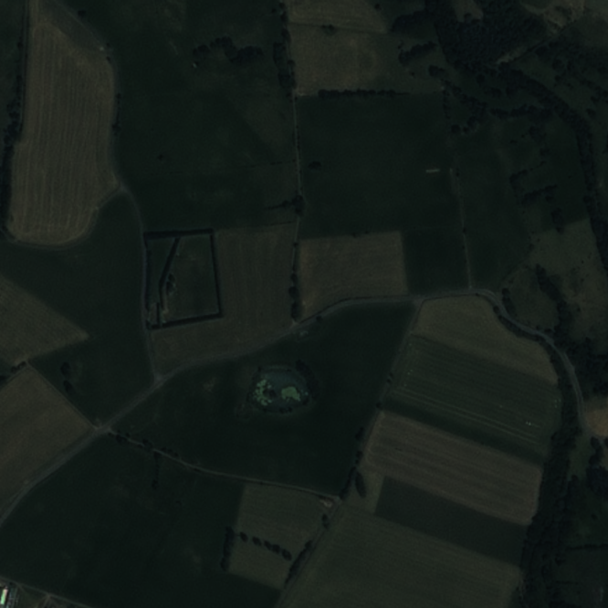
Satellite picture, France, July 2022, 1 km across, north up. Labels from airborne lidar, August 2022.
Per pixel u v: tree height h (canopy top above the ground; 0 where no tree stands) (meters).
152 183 0
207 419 0
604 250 17
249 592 0
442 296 0
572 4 0
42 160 0
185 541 0
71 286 0
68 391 16
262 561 0
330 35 0
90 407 0
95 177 0
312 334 0
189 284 0
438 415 0
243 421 0
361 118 0
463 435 0
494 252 0
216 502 0
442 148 0
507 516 0
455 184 0
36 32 0
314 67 0
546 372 0
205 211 0
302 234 0
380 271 0
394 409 0
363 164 0
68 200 0
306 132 0
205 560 0
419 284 0
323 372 0
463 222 0
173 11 0
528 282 0
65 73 0
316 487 0
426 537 0
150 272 15
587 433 0
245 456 0
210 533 0
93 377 0
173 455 7
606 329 0
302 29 0
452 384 0
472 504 0
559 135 0
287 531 0
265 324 0
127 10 0
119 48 0
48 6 0
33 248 0
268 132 0
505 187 0
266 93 0
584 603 0
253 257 0
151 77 0
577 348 11
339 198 0
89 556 0
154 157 0
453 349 0
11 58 0
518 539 0
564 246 0
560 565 18
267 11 0
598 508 0
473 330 0
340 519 0
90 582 0
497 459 0
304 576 0
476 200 0
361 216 0
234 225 0
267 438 0
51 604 0
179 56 0
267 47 0
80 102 0
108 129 0
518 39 13
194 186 0
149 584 0
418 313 0
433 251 0
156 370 0
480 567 0
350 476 9
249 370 0
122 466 0
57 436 0
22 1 0
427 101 0
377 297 0
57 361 0
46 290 0
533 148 0
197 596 0
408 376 0
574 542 0
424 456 0
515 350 0
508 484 0
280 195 0
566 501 19
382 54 0
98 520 0
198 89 0
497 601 0
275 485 0
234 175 0
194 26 0
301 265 0
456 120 0
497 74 14
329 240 0
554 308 0
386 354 0
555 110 14
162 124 0
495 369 0
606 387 12
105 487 0
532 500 0
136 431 0
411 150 0
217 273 14
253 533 0
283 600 0
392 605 0
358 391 0
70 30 0
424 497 0
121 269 0
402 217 0
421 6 0
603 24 0
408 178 0
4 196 15
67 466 0
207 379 0
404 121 0
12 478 0
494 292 0
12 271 0
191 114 0
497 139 0
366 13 0
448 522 0
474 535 0
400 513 0
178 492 0
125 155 0
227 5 0
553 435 9
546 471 6
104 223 0
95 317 0
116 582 0
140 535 0
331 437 0
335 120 0
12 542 0
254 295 0
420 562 0
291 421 0
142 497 0
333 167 0
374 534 0
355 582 0
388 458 0
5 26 0
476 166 0
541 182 0
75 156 0
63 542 0
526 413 0
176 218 0
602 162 0
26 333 0
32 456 0
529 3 0
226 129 0
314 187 0
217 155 0
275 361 0
